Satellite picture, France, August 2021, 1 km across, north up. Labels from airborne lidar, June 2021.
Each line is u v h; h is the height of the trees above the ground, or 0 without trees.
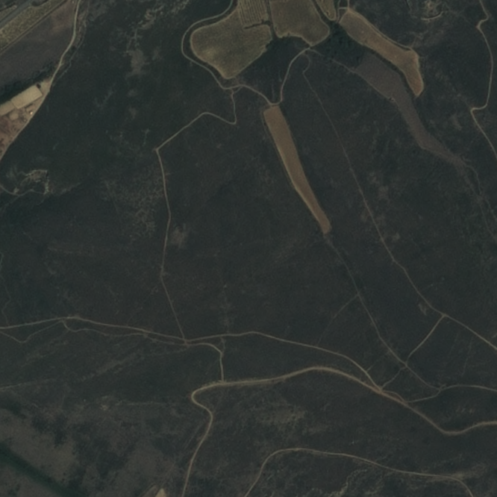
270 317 0
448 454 0
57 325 0
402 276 0
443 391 0
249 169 0
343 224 0
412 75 0
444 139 0
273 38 0
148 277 0
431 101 0
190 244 0
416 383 0
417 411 0
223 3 0
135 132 0
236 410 0
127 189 0
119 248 0
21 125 0
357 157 0
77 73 0
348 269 0
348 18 0
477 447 0
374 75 0
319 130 0
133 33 0
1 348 0
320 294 0
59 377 0
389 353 0
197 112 0
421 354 0
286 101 0
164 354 0
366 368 0
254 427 0
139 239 0
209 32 0
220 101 0
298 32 0
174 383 0
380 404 0
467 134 0
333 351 0
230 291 0
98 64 0
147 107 0
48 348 0
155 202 0
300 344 0
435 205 0
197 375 0
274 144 0
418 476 0
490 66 0
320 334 0
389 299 0
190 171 0
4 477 0
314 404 0
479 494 0
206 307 0
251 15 0
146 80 0
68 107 0
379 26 0
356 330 0
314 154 0
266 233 0
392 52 0
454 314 0
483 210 0
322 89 0
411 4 0
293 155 0
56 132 0
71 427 0
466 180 0
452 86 0
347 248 0
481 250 0
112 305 0
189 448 0
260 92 0
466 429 0
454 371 0
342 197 0
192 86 0
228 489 0
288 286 0
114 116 0
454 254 0
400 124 0
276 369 0
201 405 0
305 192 0
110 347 0
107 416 0
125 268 0
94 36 0
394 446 0
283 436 0
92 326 0
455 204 0
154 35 0
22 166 0
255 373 0
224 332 0
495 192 0
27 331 0
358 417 0
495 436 0
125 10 0
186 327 0
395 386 0
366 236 0
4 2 0
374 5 0
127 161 0
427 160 0
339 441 0
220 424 0
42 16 0
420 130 0
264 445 0
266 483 0
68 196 0
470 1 0
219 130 0
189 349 0
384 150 0
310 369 0
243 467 0
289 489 0
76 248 0
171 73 0
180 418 0
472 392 0
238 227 0
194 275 0
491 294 0
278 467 0
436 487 0
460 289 0
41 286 0
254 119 0
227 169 0
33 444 0
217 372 0
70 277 0
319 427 0
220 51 0
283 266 0
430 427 0
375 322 0
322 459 0
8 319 0
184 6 0
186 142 0
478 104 0
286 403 0
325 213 0
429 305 0
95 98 0
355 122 0
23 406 0
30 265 0
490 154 0
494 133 0
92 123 0
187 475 0
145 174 0
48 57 0
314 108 0
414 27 0
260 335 0
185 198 0
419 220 0
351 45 10
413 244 0
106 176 0
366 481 0
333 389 0
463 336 0
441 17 0
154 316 0
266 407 0
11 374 0
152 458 0
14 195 0
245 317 0
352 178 0
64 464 0
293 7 0
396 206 0
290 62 0
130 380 0
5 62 0
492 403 0
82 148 0
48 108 0
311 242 0
